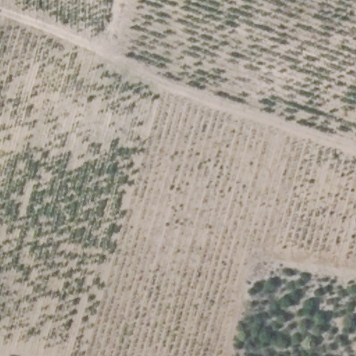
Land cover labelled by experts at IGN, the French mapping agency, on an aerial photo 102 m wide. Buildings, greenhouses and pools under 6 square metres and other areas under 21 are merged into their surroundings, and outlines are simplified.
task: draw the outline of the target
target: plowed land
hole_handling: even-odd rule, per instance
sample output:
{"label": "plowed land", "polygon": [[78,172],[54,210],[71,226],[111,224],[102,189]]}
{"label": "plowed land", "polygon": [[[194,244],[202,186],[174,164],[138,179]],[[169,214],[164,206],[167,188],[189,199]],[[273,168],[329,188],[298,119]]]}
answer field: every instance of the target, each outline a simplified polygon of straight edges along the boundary
{"label": "plowed land", "polygon": [[51,38],[76,44],[78,58],[81,61],[78,79],[83,79],[85,85],[110,85],[114,78],[102,78],[103,72],[117,72],[125,83],[147,83],[152,92],[159,95],[170,92],[188,97],[192,103],[203,104],[206,110],[211,108],[224,111],[231,114],[232,118],[249,118],[263,125],[280,128],[296,138],[310,139],[321,146],[334,147],[338,153],[348,153],[352,159],[356,157],[356,135],[350,131],[341,131],[331,135],[303,127],[293,121],[286,121],[273,113],[252,110],[246,104],[231,102],[207,92],[206,89],[181,85],[179,82],[159,76],[154,65],[115,54],[113,46],[125,39],[122,28],[132,26],[138,0],[113,0],[111,21],[103,32],[92,39],[83,38],[71,25],[61,24],[61,21],[50,24],[42,19],[32,18],[25,11],[10,8],[3,8],[0,11],[0,14],[4,18],[14,19],[18,24],[35,26]]}

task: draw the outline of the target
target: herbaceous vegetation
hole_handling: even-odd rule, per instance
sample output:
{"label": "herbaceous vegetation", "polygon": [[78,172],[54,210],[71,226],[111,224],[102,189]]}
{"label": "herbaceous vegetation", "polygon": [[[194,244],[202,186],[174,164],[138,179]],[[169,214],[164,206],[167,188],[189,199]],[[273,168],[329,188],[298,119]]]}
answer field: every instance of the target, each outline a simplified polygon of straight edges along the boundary
{"label": "herbaceous vegetation", "polygon": [[246,305],[245,317],[238,324],[239,332],[234,338],[235,356],[356,356],[356,282],[349,281],[349,286],[343,288],[338,284],[337,278],[320,277],[318,274],[305,273],[293,268],[277,268],[271,271],[270,280],[256,282],[253,288],[249,289],[252,302]]}

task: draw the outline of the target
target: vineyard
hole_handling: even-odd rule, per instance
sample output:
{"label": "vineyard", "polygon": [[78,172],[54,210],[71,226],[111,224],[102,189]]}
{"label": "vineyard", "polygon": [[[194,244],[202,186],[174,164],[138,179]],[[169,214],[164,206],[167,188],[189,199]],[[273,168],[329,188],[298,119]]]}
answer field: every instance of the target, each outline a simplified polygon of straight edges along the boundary
{"label": "vineyard", "polygon": [[32,18],[42,19],[50,24],[61,21],[61,24],[71,25],[83,38],[92,39],[103,32],[111,21],[113,0],[0,0],[0,11],[3,8],[10,8],[25,11]]}
{"label": "vineyard", "polygon": [[331,135],[341,131],[350,131],[356,135],[356,0],[138,0],[132,26],[122,28],[125,39],[113,46],[115,54],[154,65],[159,76],[179,82],[181,85],[206,89],[207,92],[231,102],[246,104],[252,110],[273,113],[286,121],[293,121],[303,127]]}
{"label": "vineyard", "polygon": [[18,24],[14,19],[4,18],[0,14],[0,356],[235,356],[234,338],[239,332],[238,324],[245,317],[246,305],[252,302],[249,289],[253,288],[256,282],[270,280],[271,271],[277,268],[293,268],[305,273],[318,274],[320,277],[337,278],[338,284],[343,288],[349,286],[349,281],[356,282],[356,157],[352,159],[348,153],[338,153],[334,147],[321,146],[310,139],[296,138],[280,128],[263,125],[249,118],[232,118],[231,114],[224,111],[211,108],[206,110],[203,104],[192,103],[188,97],[170,92],[159,95],[152,92],[147,83],[125,83],[117,72],[103,72],[102,78],[114,78],[110,85],[85,85],[83,79],[78,79],[81,61],[78,58],[76,44],[51,38],[35,26]]}

